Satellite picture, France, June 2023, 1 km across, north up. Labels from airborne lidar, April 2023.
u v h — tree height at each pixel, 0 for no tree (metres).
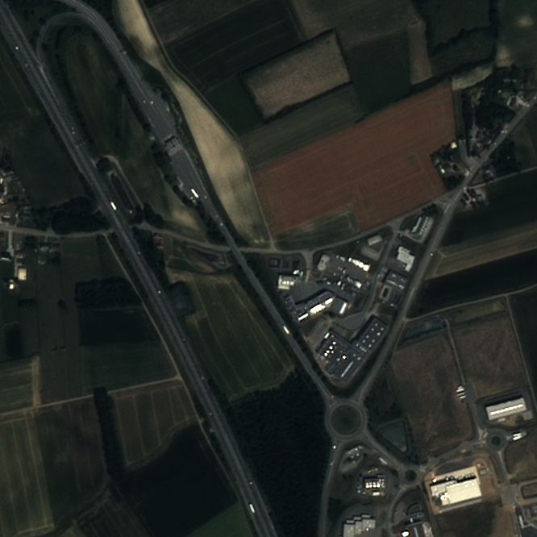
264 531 0
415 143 0
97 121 0
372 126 0
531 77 0
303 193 0
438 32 0
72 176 0
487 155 0
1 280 0
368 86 0
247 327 0
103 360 0
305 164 0
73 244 0
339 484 0
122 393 0
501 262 0
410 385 0
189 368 0
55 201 0
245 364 0
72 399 0
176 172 0
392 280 0
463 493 0
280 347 0
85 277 0
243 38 0
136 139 0
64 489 0
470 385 0
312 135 0
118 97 0
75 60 0
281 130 0
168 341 0
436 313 0
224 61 0
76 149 0
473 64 6
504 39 0
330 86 0
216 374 0
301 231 0
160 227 7
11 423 0
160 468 0
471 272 0
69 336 0
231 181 0
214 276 0
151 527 0
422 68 0
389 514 0
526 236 0
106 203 0
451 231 0
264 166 0
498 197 0
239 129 0
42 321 0
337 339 0
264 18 0
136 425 0
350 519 0
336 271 0
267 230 0
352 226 0
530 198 0
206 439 0
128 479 0
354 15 0
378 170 0
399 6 0
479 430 0
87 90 0
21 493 0
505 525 0
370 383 0
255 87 0
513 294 0
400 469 0
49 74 0
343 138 0
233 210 0
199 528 0
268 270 0
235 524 0
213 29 0
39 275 0
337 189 0
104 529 0
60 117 0
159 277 13
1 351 0
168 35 0
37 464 0
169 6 0
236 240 8
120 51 0
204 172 0
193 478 0
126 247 0
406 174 0
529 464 0
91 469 0
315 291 0
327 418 0
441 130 0
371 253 0
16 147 0
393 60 0
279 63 0
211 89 0
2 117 0
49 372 0
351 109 0
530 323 0
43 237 0
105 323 0
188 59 0
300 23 0
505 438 0
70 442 0
